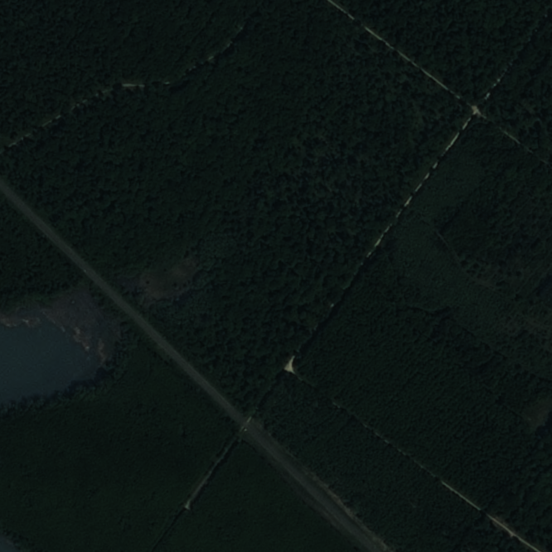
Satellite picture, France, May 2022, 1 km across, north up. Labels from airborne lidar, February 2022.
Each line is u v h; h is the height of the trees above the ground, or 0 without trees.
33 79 22
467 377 18
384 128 23
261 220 28
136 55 21
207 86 20
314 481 0
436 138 26
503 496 25
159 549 11
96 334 0
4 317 0
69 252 0
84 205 20
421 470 12
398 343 22
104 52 22
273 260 29
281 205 30
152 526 12
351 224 27
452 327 19
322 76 23
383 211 25
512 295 11
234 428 16
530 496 30
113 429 14
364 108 21
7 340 0
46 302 7
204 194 23
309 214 23
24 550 13
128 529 11
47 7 22
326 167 29
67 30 25
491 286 0
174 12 20
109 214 26
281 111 21
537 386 0
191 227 24
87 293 0
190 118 21
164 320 21
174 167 25
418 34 27
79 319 0
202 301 26
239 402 25
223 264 24
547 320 0
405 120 25
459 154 17
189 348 22
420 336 19
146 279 0
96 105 21
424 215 15
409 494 0
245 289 28
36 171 16
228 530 14
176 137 24
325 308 23
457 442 19
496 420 22
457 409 18
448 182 17
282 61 21
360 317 21
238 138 22
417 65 17
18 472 15
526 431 19
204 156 25
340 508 0
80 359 0
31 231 9
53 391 0
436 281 19
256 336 28
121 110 21
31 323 0
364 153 30
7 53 20
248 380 21
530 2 24
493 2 23
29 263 13
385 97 23
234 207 23
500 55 25
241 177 28
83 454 15
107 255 23
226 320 27
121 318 10
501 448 20
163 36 21
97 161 22
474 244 18
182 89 18
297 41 22
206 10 21
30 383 0
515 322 0
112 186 24
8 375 0
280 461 0
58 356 0
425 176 0
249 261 28
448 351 15
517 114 27
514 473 24
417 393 21
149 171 25
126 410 11
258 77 21
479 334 16
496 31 25
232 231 26
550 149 0
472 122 7
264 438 0
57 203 22
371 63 25
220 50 19
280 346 29
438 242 8
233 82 22
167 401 9
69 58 20
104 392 16
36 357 0
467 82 26
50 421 14
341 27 22
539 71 29
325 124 25
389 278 20
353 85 20
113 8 22
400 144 27
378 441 17
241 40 22
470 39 20
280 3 20
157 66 21
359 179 27
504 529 0
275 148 26
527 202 0
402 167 28
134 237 22
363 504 18
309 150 28
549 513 32
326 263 21
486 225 16
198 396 11
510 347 9
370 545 0
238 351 25
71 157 25
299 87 23
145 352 11
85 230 21
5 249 11
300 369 14
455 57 23
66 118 24
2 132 25
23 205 0
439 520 0
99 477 13
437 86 23
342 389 18
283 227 28
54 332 0
